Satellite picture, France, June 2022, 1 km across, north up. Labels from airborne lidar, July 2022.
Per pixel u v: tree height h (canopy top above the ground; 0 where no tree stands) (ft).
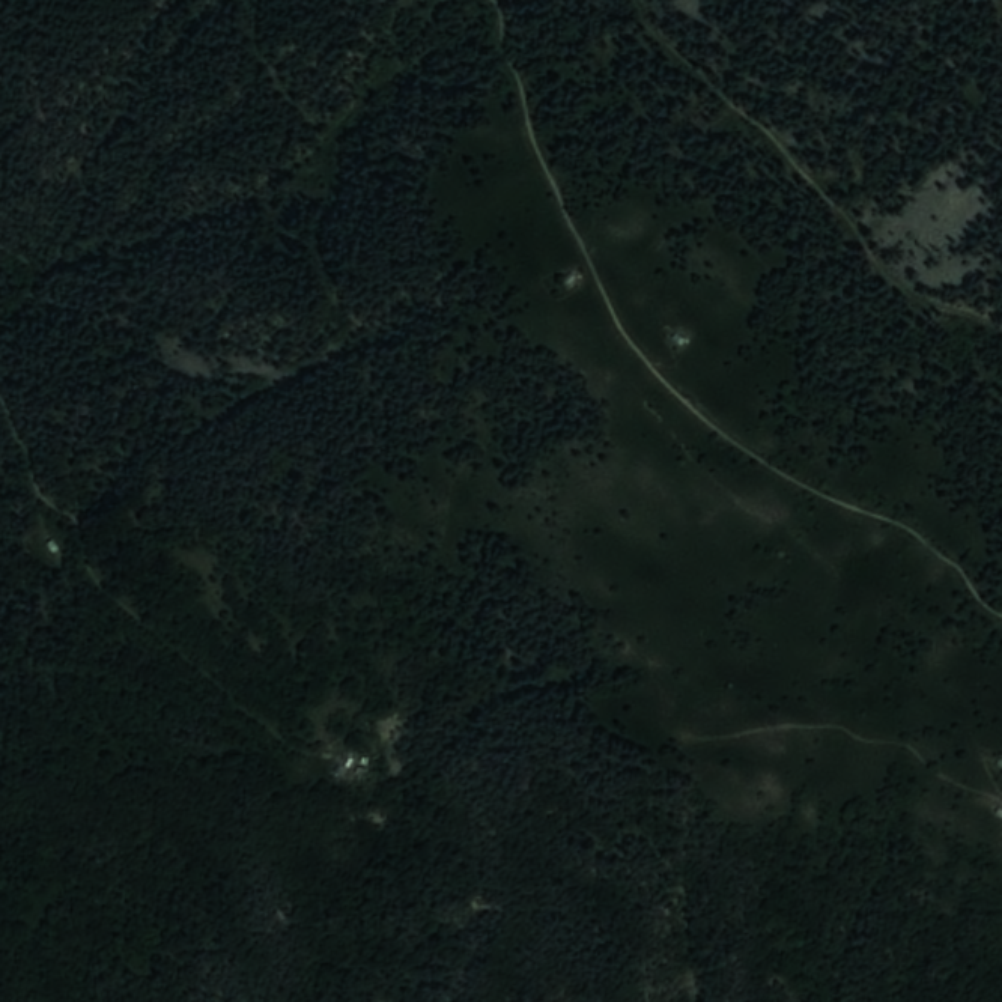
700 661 0
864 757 0
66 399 49
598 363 0
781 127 57
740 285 0
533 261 0
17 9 56
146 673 66
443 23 89
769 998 48
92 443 52
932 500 0
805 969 42
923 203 0
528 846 42
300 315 58
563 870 35
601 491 0
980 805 0
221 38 88
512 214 0
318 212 58
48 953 59
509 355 57
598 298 0
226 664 49
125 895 31
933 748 0
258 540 72
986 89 72
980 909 27
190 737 87
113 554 58
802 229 103
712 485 0
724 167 42
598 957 70
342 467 74
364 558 37
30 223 33
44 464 78
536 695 97
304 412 67
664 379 0
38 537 0
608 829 48
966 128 98
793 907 46
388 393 57
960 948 52
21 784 48
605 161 60
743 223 60
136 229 56
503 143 0
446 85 20
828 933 37
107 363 38
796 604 0
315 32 46
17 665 63
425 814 76
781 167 87
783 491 0
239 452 49
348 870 49
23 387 66
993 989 50
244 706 56
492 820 48
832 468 60
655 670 0
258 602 40
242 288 40
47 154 54
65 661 56
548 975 26
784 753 0
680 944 44
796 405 36
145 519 48
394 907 40
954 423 62
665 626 0
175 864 50
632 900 40
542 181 0
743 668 0
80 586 34
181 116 87
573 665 92
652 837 18
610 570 0
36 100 42
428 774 75
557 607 30
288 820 48
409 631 38
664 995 33
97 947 57
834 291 63
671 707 0
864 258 81
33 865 64
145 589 62
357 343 25
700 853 32
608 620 22
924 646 35
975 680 0
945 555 28
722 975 58
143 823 60
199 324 53
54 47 24
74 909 39
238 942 54
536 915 35
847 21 76
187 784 56
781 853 47
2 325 23
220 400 21
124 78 31
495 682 41
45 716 45
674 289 0
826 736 0
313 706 45
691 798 25
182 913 55
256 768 55
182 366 0
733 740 0
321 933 74
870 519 0
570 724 76
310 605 33
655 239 0
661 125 96
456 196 0
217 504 50
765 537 0
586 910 36
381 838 53
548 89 53
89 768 44
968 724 0
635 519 0
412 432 36
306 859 46
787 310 72
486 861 22
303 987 42
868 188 35
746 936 26
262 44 33
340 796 47
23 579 28
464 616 74
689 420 0
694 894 46
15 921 29
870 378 31
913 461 0
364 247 71
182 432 44
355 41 32
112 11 73
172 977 40
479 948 24
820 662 0
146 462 66
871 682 0
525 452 64
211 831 26
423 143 51
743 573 0
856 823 70
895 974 40
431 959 35
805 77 24
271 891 45
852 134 34
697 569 0
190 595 36
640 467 0
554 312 0
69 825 34
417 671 55
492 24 31
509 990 35
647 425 0
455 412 49
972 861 17
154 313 57
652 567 0
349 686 40
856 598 0
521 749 44
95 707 38
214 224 69
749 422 0
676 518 0
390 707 46
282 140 38
